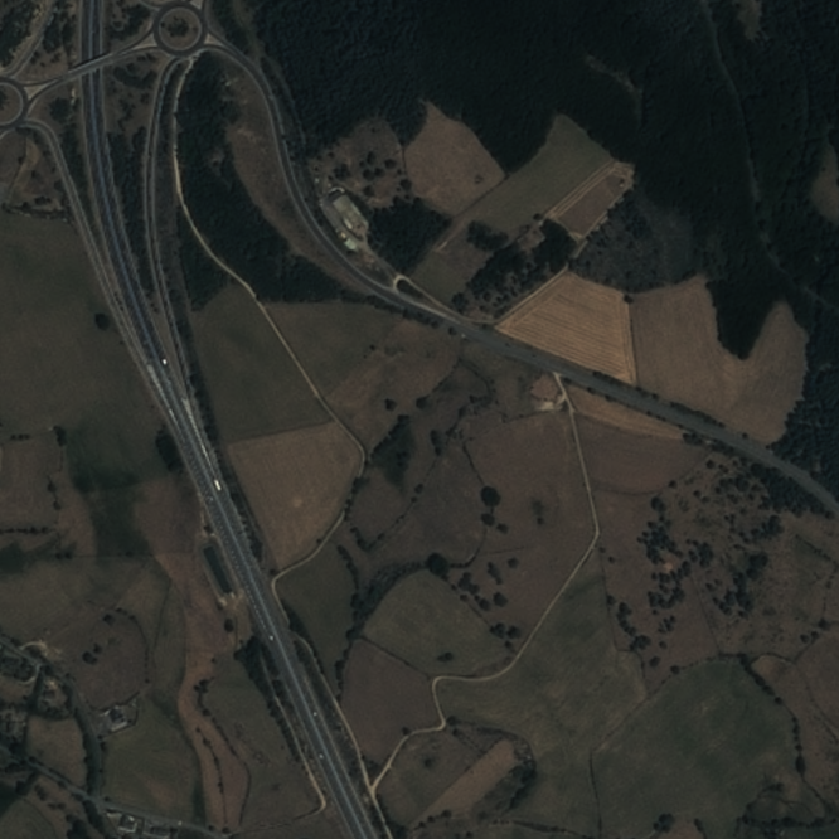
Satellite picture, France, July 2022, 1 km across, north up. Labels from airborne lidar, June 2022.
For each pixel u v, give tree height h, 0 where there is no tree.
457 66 18
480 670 0
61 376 0
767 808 0
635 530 0
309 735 0
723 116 15
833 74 18
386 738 0
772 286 9
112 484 0
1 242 0
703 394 0
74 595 0
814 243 19
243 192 11
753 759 0
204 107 6
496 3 20
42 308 0
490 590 0
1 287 0
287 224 0
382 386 0
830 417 19
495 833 0
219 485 0
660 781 0
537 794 0
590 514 0
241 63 0
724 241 8
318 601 0
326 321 0
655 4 22
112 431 0
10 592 0
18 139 0
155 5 0
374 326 0
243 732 0
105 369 0
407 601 0
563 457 0
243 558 0
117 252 0
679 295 0
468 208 0
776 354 0
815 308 11
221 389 0
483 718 0
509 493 0
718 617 0
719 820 0
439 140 0
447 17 19
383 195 0
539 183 0
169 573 0
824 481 18
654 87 21
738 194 12
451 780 0
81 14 0
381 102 15
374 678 0
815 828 8
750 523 0
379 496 0
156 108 0
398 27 19
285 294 7
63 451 0
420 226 17
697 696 0
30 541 0
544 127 15
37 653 9
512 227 0
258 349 0
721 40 10
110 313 0
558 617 0
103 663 0
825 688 0
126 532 0
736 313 14
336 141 12
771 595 0
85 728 8
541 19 21
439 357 0
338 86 17
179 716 0
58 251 0
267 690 8
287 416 0
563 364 0
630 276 10
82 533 0
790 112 13
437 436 8
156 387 0
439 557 14
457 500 0
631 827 0
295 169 0
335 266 0
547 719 0
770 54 21
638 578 0
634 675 0
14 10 8
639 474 0
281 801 0
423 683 0
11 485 0
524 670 0
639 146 19
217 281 7
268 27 15
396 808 0
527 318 0
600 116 17
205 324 0
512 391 0
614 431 0
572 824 0
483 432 0
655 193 10
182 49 0
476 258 0
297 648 8
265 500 0
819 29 18
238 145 0
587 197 0
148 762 0
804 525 0
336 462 0
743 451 0
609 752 0
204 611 0
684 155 17
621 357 0
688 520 0
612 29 21
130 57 0
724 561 0
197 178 12
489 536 0
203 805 0
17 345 0
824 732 0
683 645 0
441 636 0
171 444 7
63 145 8
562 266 8
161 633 0
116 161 11
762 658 0
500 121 16
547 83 17
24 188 0
